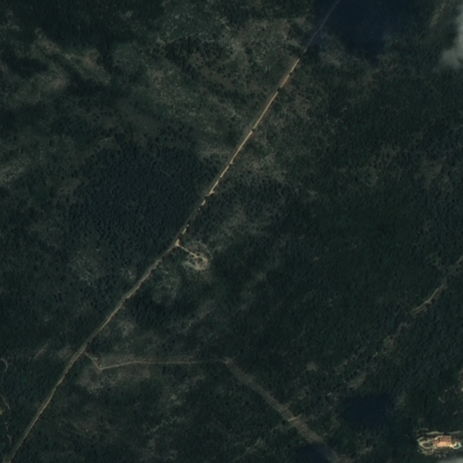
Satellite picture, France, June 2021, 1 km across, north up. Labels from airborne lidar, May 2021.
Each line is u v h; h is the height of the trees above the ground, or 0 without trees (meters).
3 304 11
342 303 9
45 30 10
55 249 11
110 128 8
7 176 6
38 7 12
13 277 7
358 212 6
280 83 0
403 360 7
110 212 12
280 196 12
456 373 13
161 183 13
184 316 8
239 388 9
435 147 14
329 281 12
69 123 15
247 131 0
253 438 7
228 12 8
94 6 6
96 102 7
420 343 16
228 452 7
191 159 14
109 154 8
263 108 0
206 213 11
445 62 16
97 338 9
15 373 9
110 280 9
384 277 8
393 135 8
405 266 9
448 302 13
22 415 6
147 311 17
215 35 10
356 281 10
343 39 9
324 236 12
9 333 9
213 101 0
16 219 6
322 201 6
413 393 9
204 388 7
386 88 6
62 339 10
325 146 6
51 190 7
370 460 11
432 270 9
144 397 6
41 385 10
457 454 6
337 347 7
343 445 11
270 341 9
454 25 7
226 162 0
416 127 6
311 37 0
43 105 6
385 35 0
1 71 8
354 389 13
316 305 7
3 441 10
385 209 7
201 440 8
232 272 10
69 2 8
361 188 6
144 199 12
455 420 10
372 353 7
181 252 6
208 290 6
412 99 7
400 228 8
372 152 9
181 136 14
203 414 9
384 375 8
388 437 7
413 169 9
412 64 11
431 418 8
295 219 13
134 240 12
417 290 10
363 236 6
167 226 9
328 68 8
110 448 7
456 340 13
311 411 16
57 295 8
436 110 5
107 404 11
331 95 7
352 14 9
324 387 5
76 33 14
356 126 8
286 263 6
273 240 9
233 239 10
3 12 6
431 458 8
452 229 9
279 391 6
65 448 6
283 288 9
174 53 7
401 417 6
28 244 6
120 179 14
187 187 13
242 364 6
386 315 7
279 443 9
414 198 8
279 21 0
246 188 10
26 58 9
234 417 6
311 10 7
